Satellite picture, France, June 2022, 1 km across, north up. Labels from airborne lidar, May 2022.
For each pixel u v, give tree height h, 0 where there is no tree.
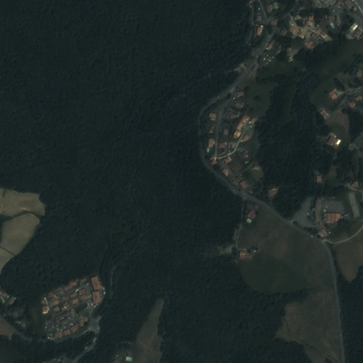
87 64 22
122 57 16
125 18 24
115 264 23
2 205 0
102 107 24
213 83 29
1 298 0
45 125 20
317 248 0
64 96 25
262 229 0
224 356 18
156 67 22
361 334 18
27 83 28
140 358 0
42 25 18
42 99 17
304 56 12
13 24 19
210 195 25
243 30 18
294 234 0
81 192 17
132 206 17
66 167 6
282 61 10
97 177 23
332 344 0
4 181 25
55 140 25
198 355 14
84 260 19
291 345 17
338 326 0
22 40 23
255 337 8
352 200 0
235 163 0
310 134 29
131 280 20
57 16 24
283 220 0
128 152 23
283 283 0
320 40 0
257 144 0
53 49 22
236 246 0
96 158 19
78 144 20
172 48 22
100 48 17
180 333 24
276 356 16
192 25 25
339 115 0
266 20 0
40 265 16
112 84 24
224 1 23
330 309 0
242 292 24
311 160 12
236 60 16
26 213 0
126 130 19
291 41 16
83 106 25
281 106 19
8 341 14
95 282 0
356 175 9
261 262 0
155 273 22
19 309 0
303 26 13
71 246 21
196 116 17
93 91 28
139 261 15
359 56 9
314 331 0
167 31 24
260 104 0
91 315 0
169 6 24
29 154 12
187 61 27
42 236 20
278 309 21
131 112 27
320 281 0
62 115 19
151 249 22
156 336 0
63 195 17
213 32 27
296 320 0
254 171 0
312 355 0
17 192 13
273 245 0
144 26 24
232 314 22
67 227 21
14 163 18
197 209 14
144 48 22
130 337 14
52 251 18
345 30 16
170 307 22
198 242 21
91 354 13
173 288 20
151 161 23
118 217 22
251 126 0
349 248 0
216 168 13
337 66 0
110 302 22
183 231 22
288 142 23
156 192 22
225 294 21
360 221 0
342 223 20
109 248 8
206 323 20
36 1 16
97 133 22
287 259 0
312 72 10
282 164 15
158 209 22
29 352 17
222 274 18
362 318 20
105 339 21
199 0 25
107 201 18
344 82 0
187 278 23
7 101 19
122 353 0
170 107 23
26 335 11
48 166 27
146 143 20
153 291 22
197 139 25
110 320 22
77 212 21
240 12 19
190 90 18
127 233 0
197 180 26
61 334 0
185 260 24
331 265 0
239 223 12
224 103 0
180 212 13
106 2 14
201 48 22
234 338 21
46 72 18
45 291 8
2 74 23
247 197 0
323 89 0
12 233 0
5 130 21
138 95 24
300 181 25
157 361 0
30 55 20
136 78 25
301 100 23
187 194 25
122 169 23
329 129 14
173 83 24
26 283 20
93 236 22
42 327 0
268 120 22
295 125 23
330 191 14
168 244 21
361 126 11
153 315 0
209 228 23
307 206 0
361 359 21
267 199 12
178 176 18
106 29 23
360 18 0
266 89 0
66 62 19
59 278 19
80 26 27
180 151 30
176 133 25
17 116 14
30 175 29
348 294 20
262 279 0
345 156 11
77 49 18
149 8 25
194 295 22
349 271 0
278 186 7
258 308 23
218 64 12
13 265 21
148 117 11
